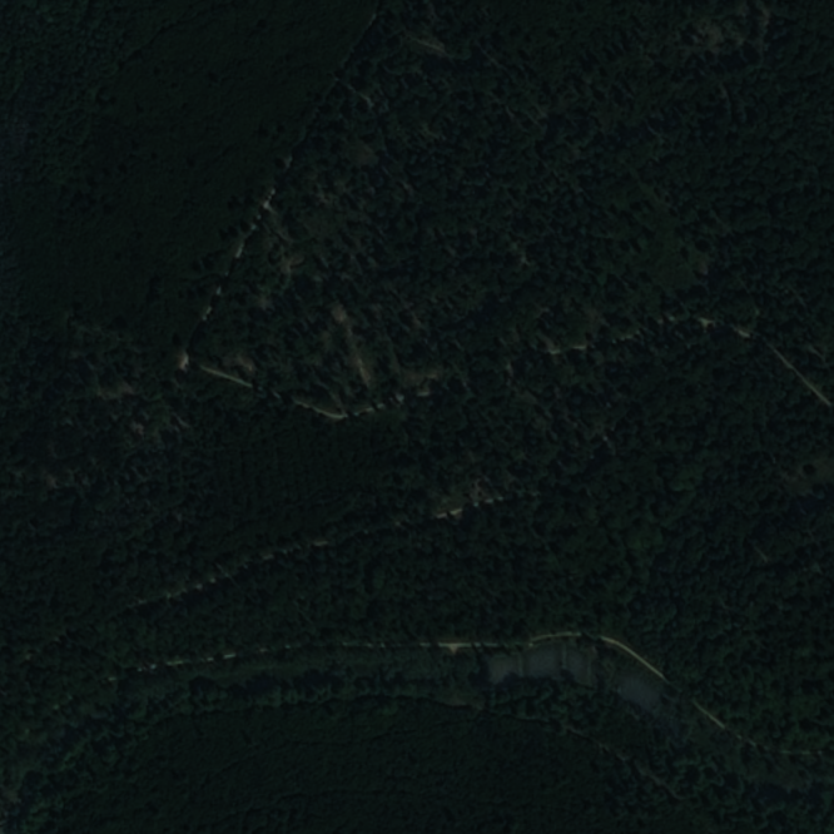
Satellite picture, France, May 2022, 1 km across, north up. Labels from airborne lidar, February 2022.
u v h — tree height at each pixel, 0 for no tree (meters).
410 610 33
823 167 31
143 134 12
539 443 33
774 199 25
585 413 31
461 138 31
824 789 25
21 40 19
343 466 9
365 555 28
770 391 35
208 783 12
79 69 23
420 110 36
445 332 33
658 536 38
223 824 15
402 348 28
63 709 22
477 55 8
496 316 32
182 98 11
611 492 31
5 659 30
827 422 10
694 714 25
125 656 34
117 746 25
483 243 28
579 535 36
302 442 10
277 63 15
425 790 8
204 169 17
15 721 33
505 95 33
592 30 8
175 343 29
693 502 34
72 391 32
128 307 10
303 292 33
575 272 32
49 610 27
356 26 14
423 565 29
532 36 12
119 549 22
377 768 17
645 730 9
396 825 16
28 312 20
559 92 9
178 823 14
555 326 31
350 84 11
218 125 13
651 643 27
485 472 18
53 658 35
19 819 23
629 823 10
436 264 30
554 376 32
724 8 30
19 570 15
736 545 34
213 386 8
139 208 15
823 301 34
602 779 7
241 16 15
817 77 25
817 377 32
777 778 24
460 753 12
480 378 31
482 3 13
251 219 7
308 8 17
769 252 33
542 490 33
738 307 35
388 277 33
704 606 27
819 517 37
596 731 12
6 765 22
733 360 33
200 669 22
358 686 35
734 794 17
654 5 24
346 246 32
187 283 7
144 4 11
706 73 32
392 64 34
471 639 26
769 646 21
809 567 33
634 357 34
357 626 33
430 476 30
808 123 26
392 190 32
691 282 0
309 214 12
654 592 36
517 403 31
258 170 9
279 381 33
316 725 13
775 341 29
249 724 10
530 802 9
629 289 35
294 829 17
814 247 29
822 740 32
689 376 36
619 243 0
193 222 20
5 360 32
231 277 6
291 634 31
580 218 35
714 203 29
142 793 11
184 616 28
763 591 32
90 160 15
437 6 29
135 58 11
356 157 0
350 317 34
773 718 29
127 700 19
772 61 27
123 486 27
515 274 32
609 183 31
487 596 35
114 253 17
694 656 16
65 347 10
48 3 30
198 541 24
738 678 34
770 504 21
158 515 26
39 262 21
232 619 31
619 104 31
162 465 29
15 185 18
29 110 20
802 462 15
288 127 11
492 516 32
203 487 15
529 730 7
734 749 29
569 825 10
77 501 28
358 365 0
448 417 32
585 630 23
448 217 33
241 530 21
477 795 13
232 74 16
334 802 15
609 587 35
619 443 32
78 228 18
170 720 9
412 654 28
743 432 30
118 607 26
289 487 8
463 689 21
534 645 0
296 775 13
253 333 13
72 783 28
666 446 35
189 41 13
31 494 13
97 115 12
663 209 0
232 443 9
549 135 34
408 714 15
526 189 29
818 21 21
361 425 17
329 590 31
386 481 7
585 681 0
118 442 13
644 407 32
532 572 30
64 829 14
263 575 27
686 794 11
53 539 20
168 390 27
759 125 29
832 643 35
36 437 16
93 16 21
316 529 13
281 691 36
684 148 28
